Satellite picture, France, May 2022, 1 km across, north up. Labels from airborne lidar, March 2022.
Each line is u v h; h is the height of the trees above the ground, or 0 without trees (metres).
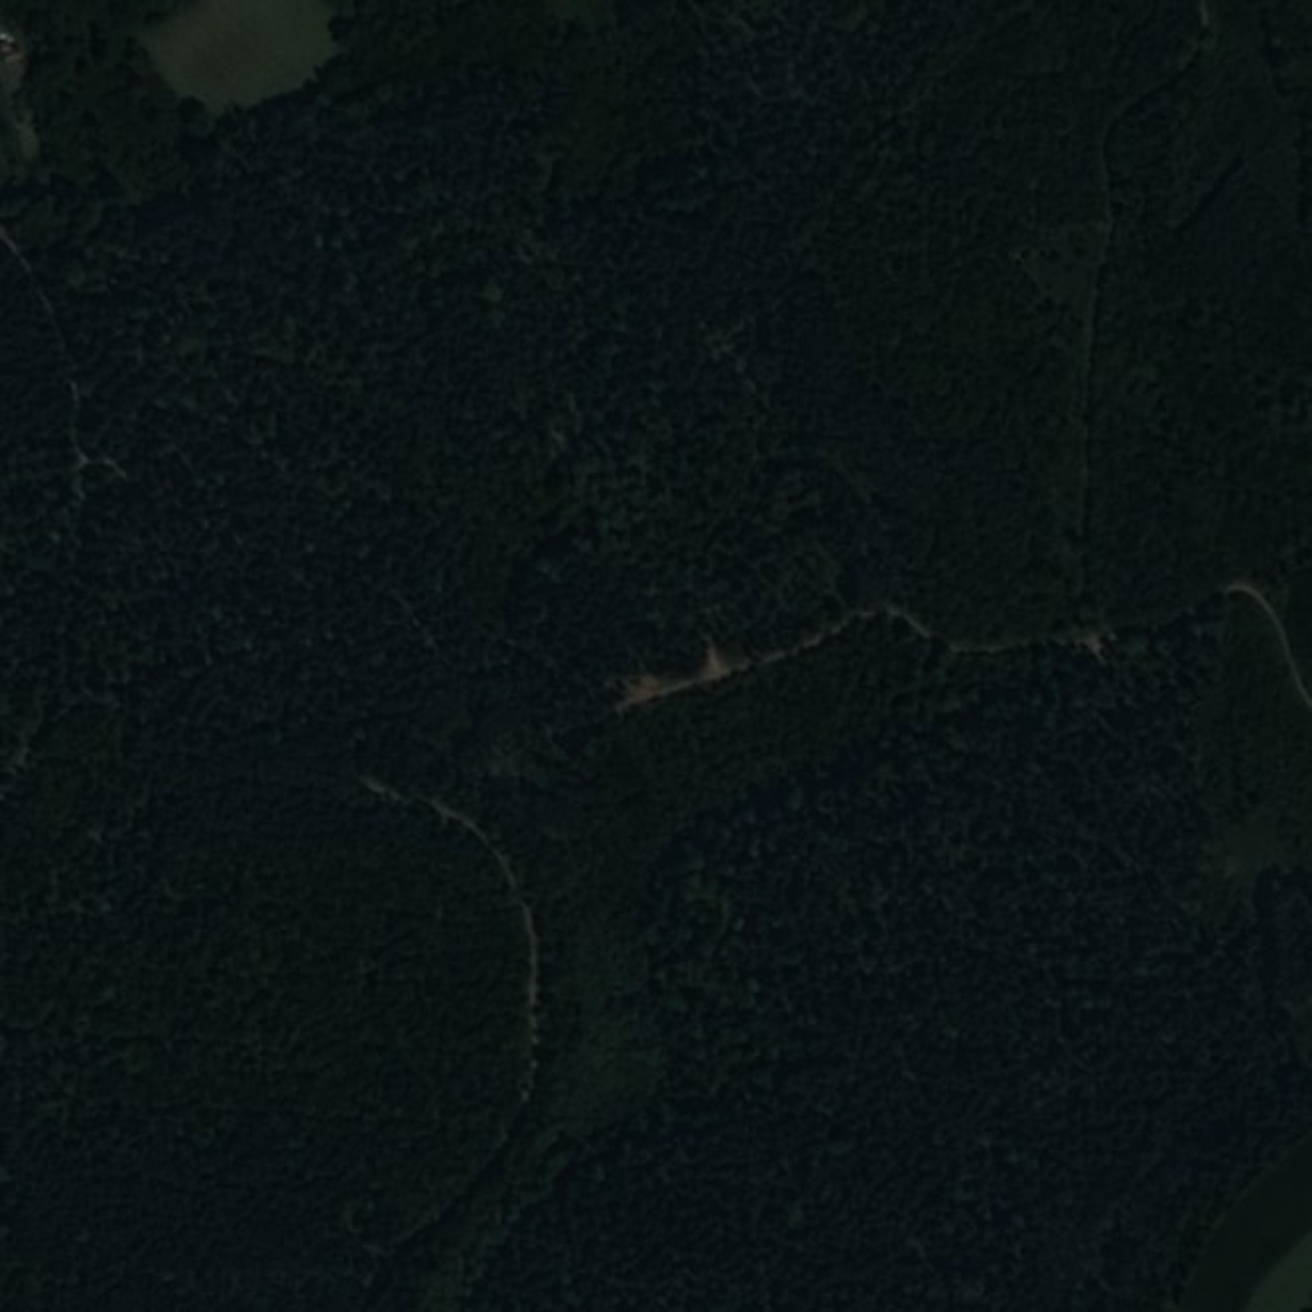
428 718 27
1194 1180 32
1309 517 11
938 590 12
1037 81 7
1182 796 7
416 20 15
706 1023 23
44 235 27
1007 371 9
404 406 17
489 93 31
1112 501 11
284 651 37
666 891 25
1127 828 33
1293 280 15
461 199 25
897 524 31
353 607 36
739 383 27
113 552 36
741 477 8
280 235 31
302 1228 23
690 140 23
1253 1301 0
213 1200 24
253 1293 22
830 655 11
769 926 8
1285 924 33
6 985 17
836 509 33
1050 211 11
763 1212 27
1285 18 17
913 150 12
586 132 10
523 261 13
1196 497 24
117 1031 13
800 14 26
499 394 29
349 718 16
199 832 25
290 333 34
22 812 15
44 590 31
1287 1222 0
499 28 15
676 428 32
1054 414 11
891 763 11
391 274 33
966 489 12
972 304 7
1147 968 38
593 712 34
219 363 40
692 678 21
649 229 31
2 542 29
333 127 32
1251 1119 11
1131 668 28
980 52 7
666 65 7
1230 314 22
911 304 13
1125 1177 31
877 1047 33
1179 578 15
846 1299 36
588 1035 21
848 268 14
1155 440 20
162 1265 29
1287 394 12
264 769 19
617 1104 17
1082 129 9
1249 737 8
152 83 7
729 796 7
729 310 27
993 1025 35
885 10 25
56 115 24
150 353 36
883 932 31
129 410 27
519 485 15
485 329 31
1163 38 14
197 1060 18
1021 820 37
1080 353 0
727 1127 34
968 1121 34
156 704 35
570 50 15
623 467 18
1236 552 11
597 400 34
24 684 18
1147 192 17
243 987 17
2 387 30
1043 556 11
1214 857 7
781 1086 32
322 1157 19
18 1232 24
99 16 24
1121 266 13
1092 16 14
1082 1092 36
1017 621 14
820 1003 34
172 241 37
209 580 33
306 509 34
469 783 33
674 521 12
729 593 29
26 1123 20
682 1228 33
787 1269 31
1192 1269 6
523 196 11
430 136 30
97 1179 27
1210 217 13
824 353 30
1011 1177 38
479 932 14
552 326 25
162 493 34
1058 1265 30
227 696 36
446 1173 18
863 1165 36
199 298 23
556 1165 18
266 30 0
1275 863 0
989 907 37
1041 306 11
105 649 19
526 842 22
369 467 29
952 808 33
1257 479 18
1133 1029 33
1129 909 35
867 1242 32
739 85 31
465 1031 19
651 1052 28
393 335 37
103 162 16
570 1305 29
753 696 6
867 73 33
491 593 18
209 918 21
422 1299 27
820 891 34
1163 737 35
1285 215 13
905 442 23
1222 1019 33
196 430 38
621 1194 29
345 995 15
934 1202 37
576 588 30
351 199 34
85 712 16
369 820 23
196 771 21
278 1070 13
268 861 18
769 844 23
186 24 0
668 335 30
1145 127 18
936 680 9
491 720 35
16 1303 24
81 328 32
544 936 13
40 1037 15
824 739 8
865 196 12
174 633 32
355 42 20
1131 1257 28
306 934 14
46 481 11
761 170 28
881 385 13
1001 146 11
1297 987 26
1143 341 12
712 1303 32
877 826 36
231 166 35
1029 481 8
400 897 18
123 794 18
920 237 15
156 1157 20
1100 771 30
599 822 12
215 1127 21
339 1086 15
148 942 12
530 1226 24
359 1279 16
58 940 16
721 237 32
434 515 20
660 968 25
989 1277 20
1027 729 39
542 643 25
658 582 23
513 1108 18
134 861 14
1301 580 6
